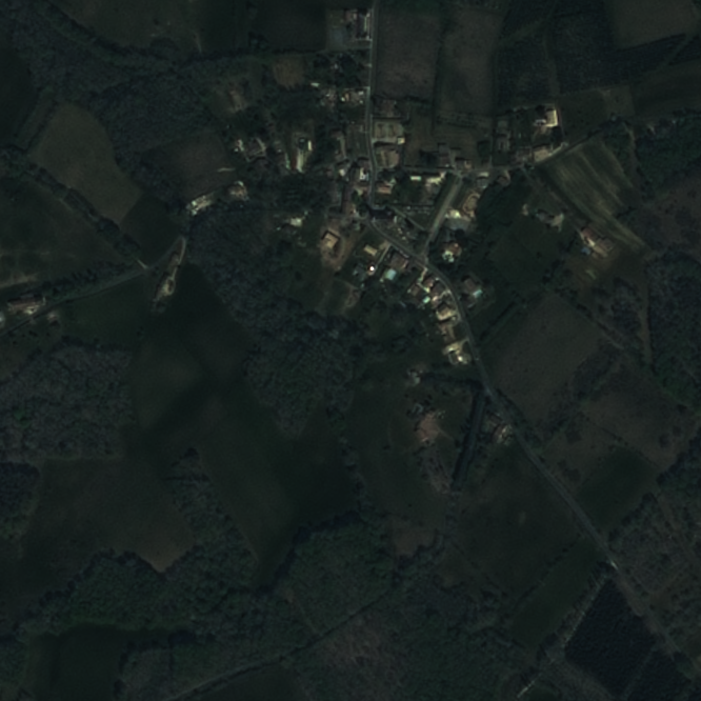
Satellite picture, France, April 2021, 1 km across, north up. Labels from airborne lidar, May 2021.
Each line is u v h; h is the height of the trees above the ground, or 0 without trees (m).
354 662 13
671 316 16
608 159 0
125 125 21
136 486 0
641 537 18
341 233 10
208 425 0
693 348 19
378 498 0
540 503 0
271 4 0
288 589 16
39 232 0
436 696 22
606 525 0
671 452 20
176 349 0
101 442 13
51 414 17
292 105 7
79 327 0
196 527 12
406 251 0
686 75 0
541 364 0
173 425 0
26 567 0
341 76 10
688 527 13
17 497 17
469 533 0
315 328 13
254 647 14
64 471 0
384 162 0
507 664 21
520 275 0
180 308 0
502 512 0
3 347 0
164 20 0
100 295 0
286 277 22
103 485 0
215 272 22
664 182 18
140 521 0
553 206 0
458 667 21
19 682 15
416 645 19
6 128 0
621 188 0
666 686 13
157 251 0
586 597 13
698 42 6
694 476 21
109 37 0
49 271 0
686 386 21
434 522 0
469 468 6
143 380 0
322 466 0
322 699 21
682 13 0
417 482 0
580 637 12
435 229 0
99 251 0
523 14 8
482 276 0
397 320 17
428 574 15
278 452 0
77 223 0
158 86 16
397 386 0
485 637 26
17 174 14
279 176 16
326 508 0
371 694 13
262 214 15
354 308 0
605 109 0
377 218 0
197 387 0
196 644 23
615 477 0
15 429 20
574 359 0
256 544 0
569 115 0
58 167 0
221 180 0
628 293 20
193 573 16
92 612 22
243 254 24
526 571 0
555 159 0
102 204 0
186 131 8
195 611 25
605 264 0
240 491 0
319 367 30
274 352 16
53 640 0
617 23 0
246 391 0
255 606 13
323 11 0
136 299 0
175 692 14
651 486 0
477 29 0
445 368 11
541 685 20
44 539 0
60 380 17
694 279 19
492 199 10
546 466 12
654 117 0
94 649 0
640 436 0
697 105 0
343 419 15
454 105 0
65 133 0
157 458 0
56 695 0
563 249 15
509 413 12
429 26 0
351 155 9
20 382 18
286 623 22
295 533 0
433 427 0
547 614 0
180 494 7
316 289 0
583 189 0
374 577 24
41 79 17
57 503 0
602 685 31
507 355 0
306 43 0
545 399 0
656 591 13
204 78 22
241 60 15
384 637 17
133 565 22
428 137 0
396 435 0
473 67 0
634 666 13
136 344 0
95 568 15
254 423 0
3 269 0
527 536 0
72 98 21
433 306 0
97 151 0
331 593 18
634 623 11
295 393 13
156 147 13
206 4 0
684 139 19
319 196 12
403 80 0
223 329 0
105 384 20
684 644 7
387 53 0
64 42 18
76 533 0
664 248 15
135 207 0
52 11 19
